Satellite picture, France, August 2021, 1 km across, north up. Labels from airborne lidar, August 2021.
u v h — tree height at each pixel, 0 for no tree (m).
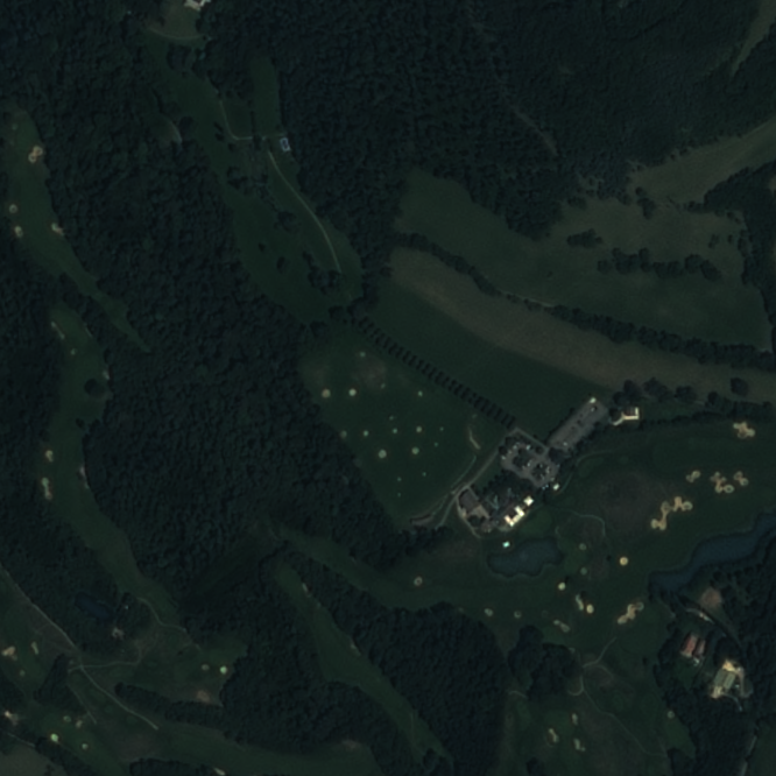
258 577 8
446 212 0
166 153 20
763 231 20
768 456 0
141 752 0
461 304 0
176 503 10
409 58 23
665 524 0
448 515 0
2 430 20
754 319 0
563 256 0
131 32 31
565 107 19
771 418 16
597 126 16
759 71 17
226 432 20
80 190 21
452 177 22
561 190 14
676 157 10
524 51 21
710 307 0
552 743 0
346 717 7
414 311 0
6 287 22
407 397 0
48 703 8
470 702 25
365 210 21
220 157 0
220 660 0
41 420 18
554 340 0
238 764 0
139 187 31
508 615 0
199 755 0
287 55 21
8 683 12
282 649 13
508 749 0
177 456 10
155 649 0
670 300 0
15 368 8
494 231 0
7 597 0
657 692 0
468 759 29
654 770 0
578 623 0
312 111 19
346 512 21
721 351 24
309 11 21
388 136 23
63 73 9
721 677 0
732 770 16
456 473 0
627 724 0
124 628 11
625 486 0
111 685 0
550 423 0
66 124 19
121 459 13
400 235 13
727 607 9
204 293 16
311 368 0
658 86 16
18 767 0
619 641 0
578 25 15
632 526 0
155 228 22
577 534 0
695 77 16
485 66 18
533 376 0
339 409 0
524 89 19
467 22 17
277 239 0
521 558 0
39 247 0
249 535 9
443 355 0
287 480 26
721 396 18
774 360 22
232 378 27
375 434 0
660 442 0
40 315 24
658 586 8
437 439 0
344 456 23
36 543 6
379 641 22
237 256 26
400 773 25
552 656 22
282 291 0
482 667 30
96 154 15
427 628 24
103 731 0
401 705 0
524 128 17
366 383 0
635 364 0
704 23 19
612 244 0
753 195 23
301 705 10
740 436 0
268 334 23
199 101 0
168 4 17
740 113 14
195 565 13
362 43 25
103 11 30
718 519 0
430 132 22
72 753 8
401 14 21
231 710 13
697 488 0
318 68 23
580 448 12
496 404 8
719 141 12
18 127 0
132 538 11
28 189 0
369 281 19
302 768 0
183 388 25
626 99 15
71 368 0
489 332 0
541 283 0
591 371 0
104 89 8
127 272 22
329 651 0
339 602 23
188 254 34
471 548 0
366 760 0
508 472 11
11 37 18
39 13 10
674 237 0
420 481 0
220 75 25
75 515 0
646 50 11
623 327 19
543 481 0
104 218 23
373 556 25
